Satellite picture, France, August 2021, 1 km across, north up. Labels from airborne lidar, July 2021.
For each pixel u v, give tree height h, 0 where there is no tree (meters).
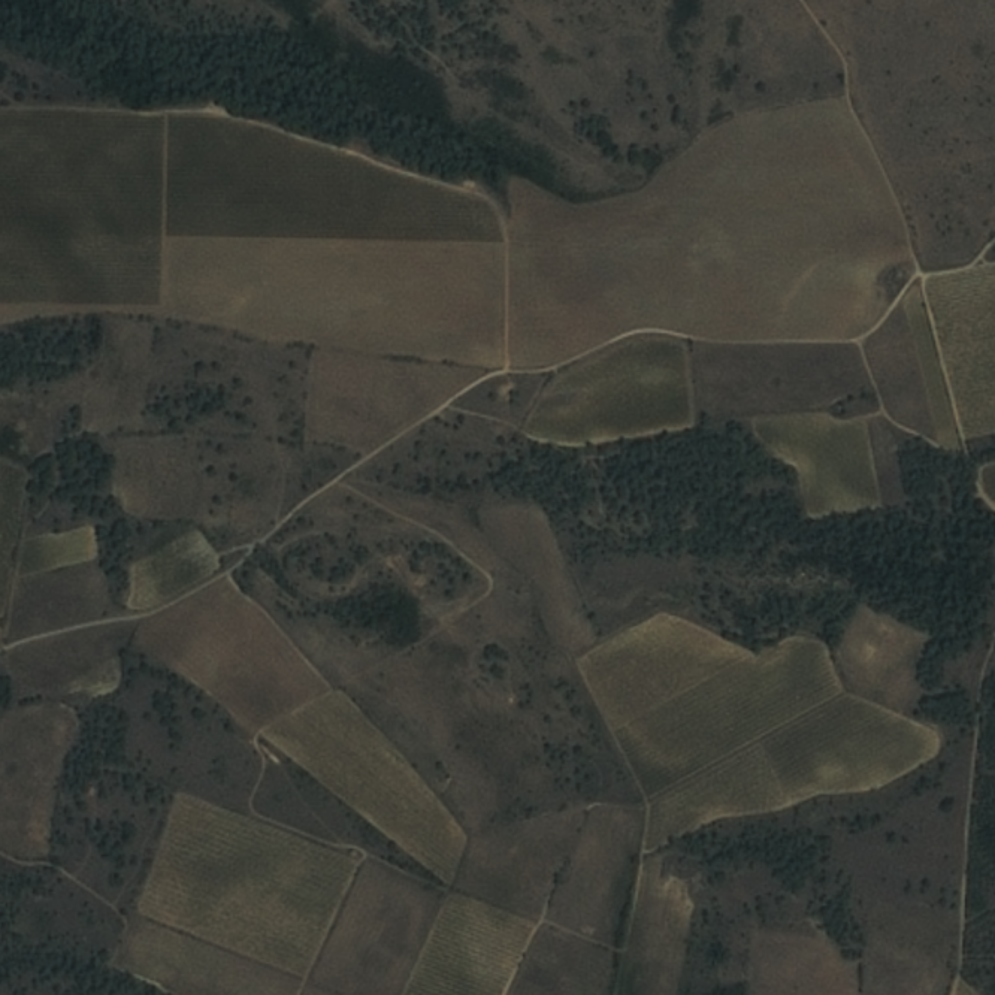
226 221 0
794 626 10
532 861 0
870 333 0
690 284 0
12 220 0
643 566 0
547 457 10
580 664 0
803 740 0
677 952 0
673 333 0
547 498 9
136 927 0
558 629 0
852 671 0
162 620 0
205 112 0
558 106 0
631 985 0
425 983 0
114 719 7
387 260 0
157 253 0
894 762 0
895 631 0
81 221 0
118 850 10
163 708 7
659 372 0
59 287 0
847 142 0
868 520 12
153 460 0
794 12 0
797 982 0
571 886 0
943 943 0
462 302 0
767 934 0
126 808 0
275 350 0
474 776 0
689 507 12
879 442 0
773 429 0
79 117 0
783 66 0
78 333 6
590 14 0
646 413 0
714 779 0
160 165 0
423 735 0
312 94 17
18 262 0
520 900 0
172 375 0
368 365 0
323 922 0
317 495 0
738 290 0
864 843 0
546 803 0
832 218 0
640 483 10
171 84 7
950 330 0
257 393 0
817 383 0
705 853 7
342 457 0
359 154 0
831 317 0
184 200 0
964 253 0
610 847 0
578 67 0
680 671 0
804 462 0
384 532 0
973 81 0
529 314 0
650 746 0
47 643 0
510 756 0
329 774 0
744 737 0
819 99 0
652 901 0
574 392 0
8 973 7
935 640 7
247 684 0
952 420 0
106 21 12
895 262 0
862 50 0
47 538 0
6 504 0
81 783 8
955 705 13
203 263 0
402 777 0
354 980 0
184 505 0
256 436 0
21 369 13
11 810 0
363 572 0
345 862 0
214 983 0
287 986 0
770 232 0
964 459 12
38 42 13
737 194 0
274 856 0
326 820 0
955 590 12
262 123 0
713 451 10
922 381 0
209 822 0
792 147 0
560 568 0
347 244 0
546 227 0
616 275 0
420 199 0
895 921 0
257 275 0
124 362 0
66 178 0
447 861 0
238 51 15
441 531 0
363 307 0
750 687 0
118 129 0
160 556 0
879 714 0
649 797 0
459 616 0
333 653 0
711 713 0
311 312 0
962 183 0
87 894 0
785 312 0
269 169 0
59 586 0
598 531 7
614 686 0
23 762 0
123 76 6
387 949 0
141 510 0
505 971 0
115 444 0
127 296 0
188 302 0
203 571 0
